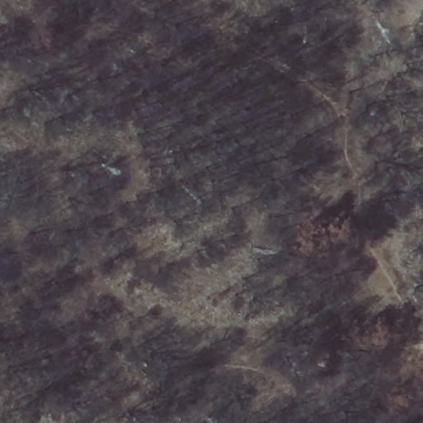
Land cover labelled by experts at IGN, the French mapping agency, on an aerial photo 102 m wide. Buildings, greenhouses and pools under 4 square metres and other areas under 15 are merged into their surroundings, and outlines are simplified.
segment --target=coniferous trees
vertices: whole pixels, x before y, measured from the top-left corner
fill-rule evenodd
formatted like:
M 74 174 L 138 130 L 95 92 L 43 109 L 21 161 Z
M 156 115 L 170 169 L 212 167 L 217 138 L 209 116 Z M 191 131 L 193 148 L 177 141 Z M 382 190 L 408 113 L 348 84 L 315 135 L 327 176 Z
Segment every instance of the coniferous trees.
M 0 423 L 423 423 L 423 0 L 0 0 Z

